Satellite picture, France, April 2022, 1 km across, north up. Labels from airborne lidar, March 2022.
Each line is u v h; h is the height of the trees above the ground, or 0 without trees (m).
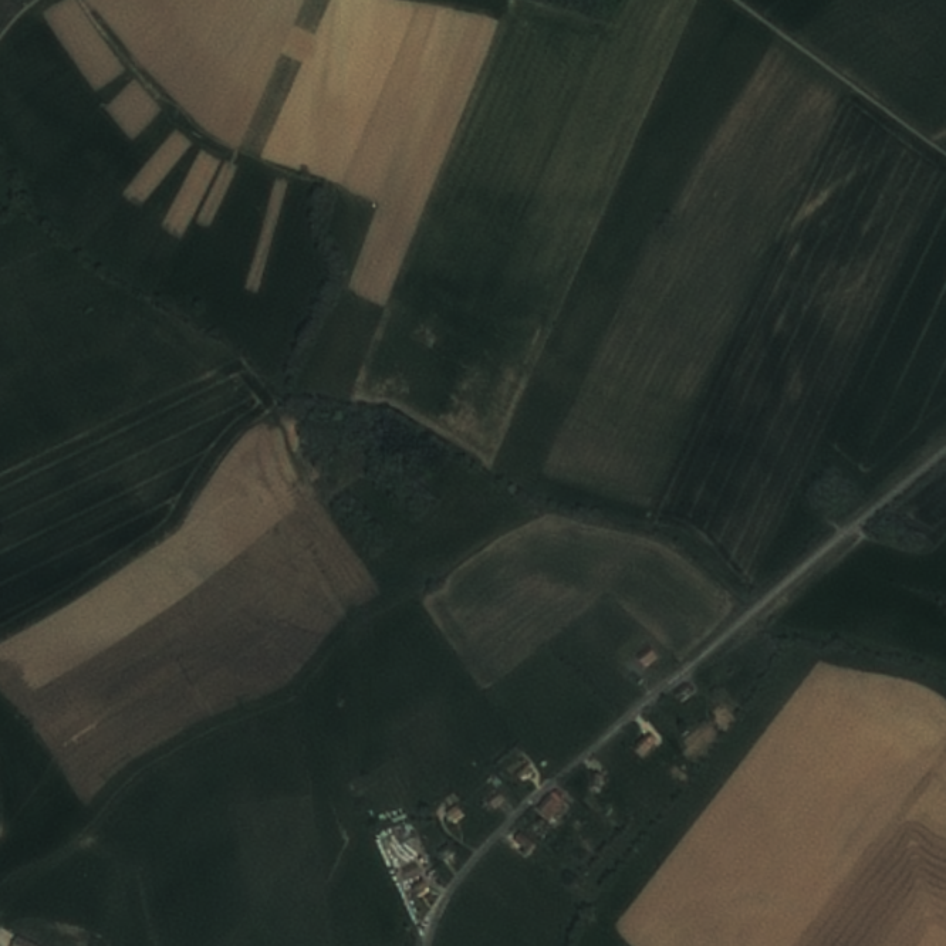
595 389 0
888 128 0
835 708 0
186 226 0
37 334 0
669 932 0
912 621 0
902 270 0
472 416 0
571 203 0
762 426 0
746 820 0
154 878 0
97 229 0
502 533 0
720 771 0
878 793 0
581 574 0
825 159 0
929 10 0
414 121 0
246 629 0
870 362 0
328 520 0
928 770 0
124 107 0
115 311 0
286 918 0
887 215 0
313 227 9
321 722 0
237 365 0
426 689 0
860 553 0
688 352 0
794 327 0
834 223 0
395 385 0
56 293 0
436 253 0
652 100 0
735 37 0
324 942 0
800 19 0
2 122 0
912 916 0
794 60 0
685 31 0
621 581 0
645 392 0
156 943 0
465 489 0
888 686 0
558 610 0
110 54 0
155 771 0
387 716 0
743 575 0
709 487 0
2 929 0
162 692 0
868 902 0
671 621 0
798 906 0
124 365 0
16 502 0
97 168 0
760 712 0
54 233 14
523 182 0
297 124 0
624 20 0
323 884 0
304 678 0
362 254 0
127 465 0
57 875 0
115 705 0
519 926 0
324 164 0
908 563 0
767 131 0
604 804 0
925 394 0
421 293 0
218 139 0
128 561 0
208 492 0
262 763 0
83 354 0
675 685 0
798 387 0
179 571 0
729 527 0
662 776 0
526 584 0
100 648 0
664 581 0
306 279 0
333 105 0
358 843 0
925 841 0
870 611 0
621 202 0
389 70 0
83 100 0
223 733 0
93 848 0
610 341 0
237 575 0
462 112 0
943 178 0
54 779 0
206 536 0
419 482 17
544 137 0
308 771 0
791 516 0
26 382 0
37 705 0
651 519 0
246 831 0
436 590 14
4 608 0
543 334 0
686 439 0
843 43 0
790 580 0
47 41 0
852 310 0
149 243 0
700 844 0
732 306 0
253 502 0
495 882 0
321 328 11
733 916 0
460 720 0
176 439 0
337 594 0
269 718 0
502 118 0
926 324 0
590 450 0
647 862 0
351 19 0
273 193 0
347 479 0
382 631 0
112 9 0
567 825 0
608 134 0
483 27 0
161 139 0
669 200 0
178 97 0
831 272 0
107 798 0
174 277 0
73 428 0
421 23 0
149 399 0
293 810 0
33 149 0
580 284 0
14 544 0
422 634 0
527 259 0
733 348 0
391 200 0
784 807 0
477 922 0
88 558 0
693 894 0
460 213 0
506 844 0
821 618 0
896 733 0
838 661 0
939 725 0
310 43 0
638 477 0
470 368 0
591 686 7
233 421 0
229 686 0
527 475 0
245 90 0
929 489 0
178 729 0
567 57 0
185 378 0
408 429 18
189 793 0
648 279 0
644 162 0
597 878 0
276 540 0
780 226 0
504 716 0
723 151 0
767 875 0
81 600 0
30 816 0
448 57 0
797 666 0
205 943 0
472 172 0
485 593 0
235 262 0
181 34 0
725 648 0
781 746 0
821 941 0
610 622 0
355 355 0
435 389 0
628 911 0
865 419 0
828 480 17
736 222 0
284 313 0
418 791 0
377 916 0
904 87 0
